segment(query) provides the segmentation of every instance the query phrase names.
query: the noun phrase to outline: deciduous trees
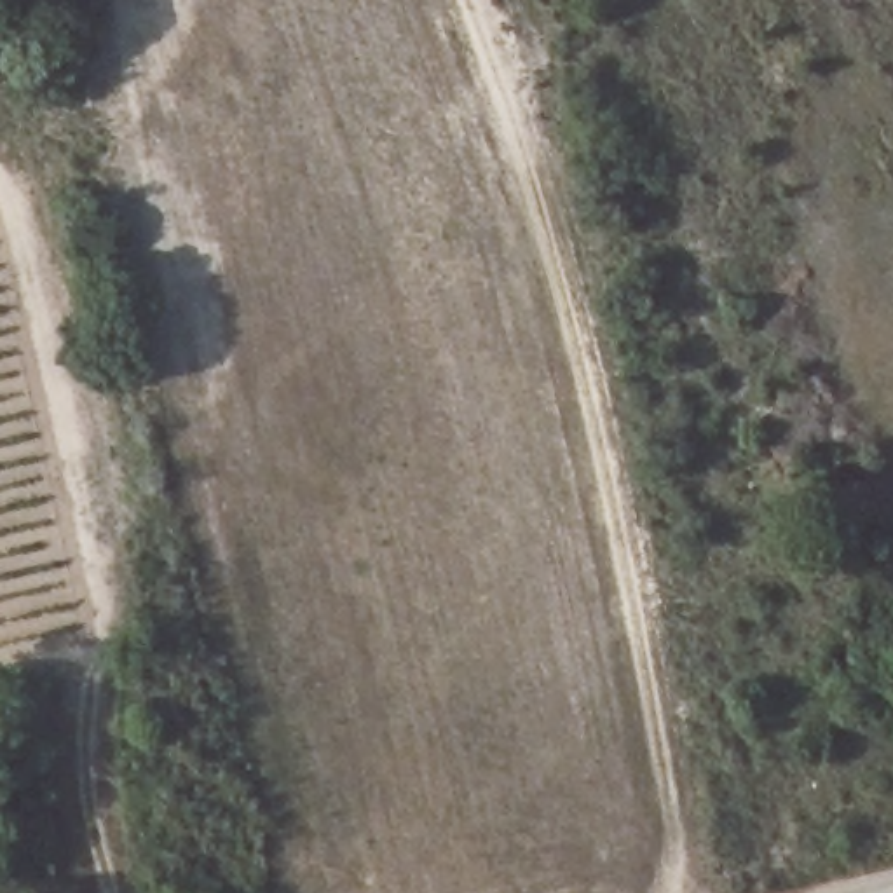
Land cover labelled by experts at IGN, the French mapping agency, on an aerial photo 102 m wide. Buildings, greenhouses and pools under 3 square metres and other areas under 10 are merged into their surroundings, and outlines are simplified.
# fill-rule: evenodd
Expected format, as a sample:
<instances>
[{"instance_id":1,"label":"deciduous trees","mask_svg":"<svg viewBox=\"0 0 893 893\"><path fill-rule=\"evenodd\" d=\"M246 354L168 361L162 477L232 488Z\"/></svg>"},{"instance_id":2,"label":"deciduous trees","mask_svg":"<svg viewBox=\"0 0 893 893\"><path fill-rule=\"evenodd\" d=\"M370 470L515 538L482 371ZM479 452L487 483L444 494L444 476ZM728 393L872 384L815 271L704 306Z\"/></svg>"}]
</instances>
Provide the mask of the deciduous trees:
<instances>
[{"instance_id":1,"label":"deciduous trees","mask_svg":"<svg viewBox=\"0 0 893 893\"><path fill-rule=\"evenodd\" d=\"M778 576L785 569L806 572L806 579L830 579L841 572L841 541L834 534L837 516L823 474L813 478L809 488L781 492L778 506L767 516L764 548L778 565Z\"/></svg>"},{"instance_id":2,"label":"deciduous trees","mask_svg":"<svg viewBox=\"0 0 893 893\"><path fill-rule=\"evenodd\" d=\"M7 872L7 851L17 830L0 813L0 893L28 893Z\"/></svg>"},{"instance_id":3,"label":"deciduous trees","mask_svg":"<svg viewBox=\"0 0 893 893\"><path fill-rule=\"evenodd\" d=\"M115 293L129 276L112 265L115 220L98 213L87 192L70 199L63 213L70 234L63 255L73 262L73 279L66 283L70 314L59 324L59 366L77 384L112 398L129 394L143 384L153 384L150 363L140 352L140 331L129 321L129 310L119 307Z\"/></svg>"},{"instance_id":4,"label":"deciduous trees","mask_svg":"<svg viewBox=\"0 0 893 893\"><path fill-rule=\"evenodd\" d=\"M115 872L129 879L133 893L209 893L202 872L206 855L220 862L220 869L241 893L258 893L265 872L286 876L286 841L307 841L310 827L293 813L286 795L272 792L269 778L262 778L258 740L251 729L258 715L265 715L265 687L244 673L244 656L237 652L230 635L230 614L181 617L181 590L171 583L174 565L164 565L157 551L140 551L140 558L133 562L140 607L133 614L115 610L108 638L94 642L94 666L94 677L112 680L112 802L94 816L108 820Z\"/></svg>"},{"instance_id":5,"label":"deciduous trees","mask_svg":"<svg viewBox=\"0 0 893 893\"><path fill-rule=\"evenodd\" d=\"M834 614L827 617L827 638L813 635L809 642L795 642L795 649L781 652L778 673L795 677L802 687L813 687L809 698L834 726L893 750L893 586L872 576L858 579L858 600L834 607Z\"/></svg>"},{"instance_id":6,"label":"deciduous trees","mask_svg":"<svg viewBox=\"0 0 893 893\"><path fill-rule=\"evenodd\" d=\"M0 101L24 119L38 119L45 108L70 105L66 91L80 73L80 56L70 49L66 38L73 14L59 0L0 0Z\"/></svg>"},{"instance_id":7,"label":"deciduous trees","mask_svg":"<svg viewBox=\"0 0 893 893\"><path fill-rule=\"evenodd\" d=\"M21 673L10 663L0 663L0 722L21 708Z\"/></svg>"},{"instance_id":8,"label":"deciduous trees","mask_svg":"<svg viewBox=\"0 0 893 893\"><path fill-rule=\"evenodd\" d=\"M719 701L736 733L753 715L733 687L722 684Z\"/></svg>"}]
</instances>

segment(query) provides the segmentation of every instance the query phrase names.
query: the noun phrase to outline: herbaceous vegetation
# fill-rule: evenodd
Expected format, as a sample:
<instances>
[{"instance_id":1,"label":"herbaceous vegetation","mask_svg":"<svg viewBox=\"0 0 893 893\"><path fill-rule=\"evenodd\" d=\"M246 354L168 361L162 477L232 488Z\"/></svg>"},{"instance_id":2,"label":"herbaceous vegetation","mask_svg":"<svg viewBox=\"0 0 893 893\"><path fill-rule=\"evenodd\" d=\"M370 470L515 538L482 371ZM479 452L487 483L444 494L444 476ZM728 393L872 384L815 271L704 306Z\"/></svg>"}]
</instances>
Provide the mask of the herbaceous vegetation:
<instances>
[{"instance_id":1,"label":"herbaceous vegetation","mask_svg":"<svg viewBox=\"0 0 893 893\"><path fill-rule=\"evenodd\" d=\"M841 572L858 579L872 576L893 586L893 0L586 0L607 21L607 28L600 42L579 49L576 63L590 70L596 105L610 108L621 119L621 140L614 150L624 157L624 164L642 164L649 174L663 178L659 195L649 195L642 185L624 185L607 206L617 206L628 227L638 234L642 265L670 248L687 248L698 258L698 286L712 300L712 310L698 317L701 328L719 342L719 356L726 359L726 366L740 373L736 394L740 405L760 419L760 450L771 453L774 447L785 447L795 460L809 460L823 474L837 516L834 534L841 541Z\"/></svg>"},{"instance_id":2,"label":"herbaceous vegetation","mask_svg":"<svg viewBox=\"0 0 893 893\"><path fill-rule=\"evenodd\" d=\"M638 457L645 457L645 394L631 391L621 380L624 366L617 345L603 335L596 338L610 384L610 415L621 426L617 460L624 471Z\"/></svg>"},{"instance_id":3,"label":"herbaceous vegetation","mask_svg":"<svg viewBox=\"0 0 893 893\"><path fill-rule=\"evenodd\" d=\"M98 213L115 220L112 265L129 276L115 293L119 307L129 310L129 321L140 331L140 352L150 363L160 356L157 335L164 297L147 276L147 269L164 255L157 248L157 237L164 230L164 220L157 206L147 202L143 188L122 185L122 171L101 164L101 157L112 147L105 98L70 105L45 108L38 119L24 119L0 101L0 164L24 178L28 202L42 195L49 199L52 213L63 213L70 199L87 192Z\"/></svg>"},{"instance_id":4,"label":"herbaceous vegetation","mask_svg":"<svg viewBox=\"0 0 893 893\"><path fill-rule=\"evenodd\" d=\"M579 223L572 195L579 188L579 178L565 167L565 157L558 153L572 136L576 115L565 101L565 66L558 56L562 21L555 21L555 7L548 0L495 0L506 14L506 31L513 31L523 45L548 49L548 66L534 77L537 122L548 136L548 143L537 153L537 174L551 209L551 227L562 244L562 258L569 262L576 303L579 310L593 310L610 286L603 276L607 237L603 230L586 230Z\"/></svg>"},{"instance_id":5,"label":"herbaceous vegetation","mask_svg":"<svg viewBox=\"0 0 893 893\"><path fill-rule=\"evenodd\" d=\"M133 893L129 879L115 872L108 820L94 816L112 802L112 680L94 677L94 666L84 670L70 659L31 656L10 663L21 673L21 708L0 722L0 813L17 830L7 851L7 872L28 893Z\"/></svg>"}]
</instances>

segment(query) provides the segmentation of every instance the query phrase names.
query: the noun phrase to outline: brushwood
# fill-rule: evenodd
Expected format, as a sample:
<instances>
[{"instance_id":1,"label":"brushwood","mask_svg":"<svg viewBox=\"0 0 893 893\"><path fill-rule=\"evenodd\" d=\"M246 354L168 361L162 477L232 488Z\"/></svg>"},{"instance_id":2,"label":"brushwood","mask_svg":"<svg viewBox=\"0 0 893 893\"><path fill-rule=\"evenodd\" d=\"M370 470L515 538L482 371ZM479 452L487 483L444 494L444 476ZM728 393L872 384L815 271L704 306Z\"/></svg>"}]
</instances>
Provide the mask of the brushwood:
<instances>
[{"instance_id":1,"label":"brushwood","mask_svg":"<svg viewBox=\"0 0 893 893\"><path fill-rule=\"evenodd\" d=\"M129 530L140 537L140 551L157 551L164 565L174 565L178 520L171 516L164 474L153 464L147 419L136 412L129 394L112 398L108 419L115 440L108 450L112 460L119 460L122 467L122 499L136 509L136 523Z\"/></svg>"},{"instance_id":2,"label":"brushwood","mask_svg":"<svg viewBox=\"0 0 893 893\"><path fill-rule=\"evenodd\" d=\"M712 310L712 300L698 286L698 258L687 248L670 248L642 265L638 234L628 227L617 206L607 206L624 185L642 185L649 195L659 195L663 178L649 174L642 164L624 164L624 157L614 150L621 140L621 119L610 108L596 105L590 70L576 63L579 49L600 42L607 28L607 21L586 0L548 0L555 7L555 21L562 21L558 56L565 66L565 101L576 115L572 136L558 153L565 157L565 167L579 178L579 188L572 195L579 223L586 230L603 230L607 237L603 276L610 286L593 310L596 338L603 335L617 345L624 366L621 380L631 391L645 394L645 457L638 457L624 471L635 520L649 530L652 541L652 579L659 590L663 624L663 635L652 638L652 656L663 691L666 733L673 746L680 816L687 830L687 876L708 893L795 893L848 876L893 869L893 750L834 726L809 698L813 687L802 687L795 677L778 673L781 652L795 649L795 642L809 642L813 635L827 638L827 617L834 614L834 607L858 600L858 579L841 572L830 579L806 579L806 572L785 569L778 576L778 565L764 548L767 516L778 506L781 492L809 488L813 478L823 474L809 460L795 460L785 447L774 447L771 453L760 450L760 419L740 405L736 394L740 373L726 366L726 359L719 356L719 342L701 328L698 317ZM736 733L719 701L722 684L733 687L753 715Z\"/></svg>"}]
</instances>

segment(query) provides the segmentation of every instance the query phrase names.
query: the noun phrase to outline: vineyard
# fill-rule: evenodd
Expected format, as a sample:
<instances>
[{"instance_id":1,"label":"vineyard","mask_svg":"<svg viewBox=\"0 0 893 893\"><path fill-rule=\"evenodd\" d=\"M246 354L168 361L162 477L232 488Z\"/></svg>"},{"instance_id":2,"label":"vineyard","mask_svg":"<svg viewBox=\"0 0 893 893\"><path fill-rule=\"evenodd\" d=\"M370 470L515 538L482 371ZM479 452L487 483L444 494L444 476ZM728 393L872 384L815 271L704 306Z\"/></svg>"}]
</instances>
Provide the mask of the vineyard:
<instances>
[{"instance_id":1,"label":"vineyard","mask_svg":"<svg viewBox=\"0 0 893 893\"><path fill-rule=\"evenodd\" d=\"M70 314L66 283L73 279L73 262L63 255L70 234L63 213L52 213L49 199L42 195L28 202L24 178L0 164L0 663L10 663L31 656L70 659L84 670L94 666L94 642L108 638L115 610L133 614L140 607L133 562L140 558L140 551L140 537L129 530L136 523L136 509L122 499L122 467L119 460L112 460L108 450L115 440L108 419L112 398L77 384L59 366L59 324Z\"/></svg>"}]
</instances>

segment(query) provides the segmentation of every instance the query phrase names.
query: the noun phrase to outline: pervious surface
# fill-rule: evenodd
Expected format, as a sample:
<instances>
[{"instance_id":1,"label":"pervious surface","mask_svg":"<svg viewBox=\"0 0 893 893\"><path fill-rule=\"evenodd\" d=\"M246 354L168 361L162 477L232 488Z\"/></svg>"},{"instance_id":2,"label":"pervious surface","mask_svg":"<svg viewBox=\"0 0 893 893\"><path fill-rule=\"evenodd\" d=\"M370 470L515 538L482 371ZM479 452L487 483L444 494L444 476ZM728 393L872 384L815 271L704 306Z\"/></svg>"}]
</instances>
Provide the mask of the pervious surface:
<instances>
[{"instance_id":1,"label":"pervious surface","mask_svg":"<svg viewBox=\"0 0 893 893\"><path fill-rule=\"evenodd\" d=\"M635 520L624 471L617 460L621 426L610 415L610 384L596 338L593 310L579 310L576 303L569 262L562 258L562 244L551 227L551 209L537 174L537 153L548 143L548 136L537 122L534 77L548 66L548 49L523 45L513 31L506 31L506 14L495 0L467 0L460 7L460 24L474 52L474 77L485 84L492 101L492 126L502 143L502 157L513 167L509 192L523 202L527 227L544 265L565 359L576 380L576 401L596 481L596 513L607 530L624 635L631 649L645 746L666 837L663 865L649 893L708 893L687 876L687 830L680 816L673 746L666 733L663 691L652 656L652 638L663 635L663 624L659 590L652 579L652 541L649 530Z\"/></svg>"},{"instance_id":2,"label":"pervious surface","mask_svg":"<svg viewBox=\"0 0 893 893\"><path fill-rule=\"evenodd\" d=\"M893 869L848 876L795 893L893 893Z\"/></svg>"}]
</instances>

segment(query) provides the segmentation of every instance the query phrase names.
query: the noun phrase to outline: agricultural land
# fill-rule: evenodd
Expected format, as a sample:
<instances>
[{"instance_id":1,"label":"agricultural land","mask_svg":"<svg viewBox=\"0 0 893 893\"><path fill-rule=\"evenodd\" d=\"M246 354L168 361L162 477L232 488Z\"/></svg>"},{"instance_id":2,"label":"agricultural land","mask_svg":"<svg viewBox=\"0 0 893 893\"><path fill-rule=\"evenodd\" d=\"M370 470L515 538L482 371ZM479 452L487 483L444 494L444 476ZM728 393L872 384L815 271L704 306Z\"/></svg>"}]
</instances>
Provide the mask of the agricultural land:
<instances>
[{"instance_id":1,"label":"agricultural land","mask_svg":"<svg viewBox=\"0 0 893 893\"><path fill-rule=\"evenodd\" d=\"M206 855L202 872L209 893L241 893L220 869L220 862Z\"/></svg>"},{"instance_id":2,"label":"agricultural land","mask_svg":"<svg viewBox=\"0 0 893 893\"><path fill-rule=\"evenodd\" d=\"M663 865L666 837L645 746L631 649L624 635L607 530L596 513L596 481L576 401L576 380L565 359L544 265L527 227L523 202L509 192L513 167L502 157L502 143L492 126L492 101L485 84L474 77L474 52L460 24L460 7L467 0L59 0L73 14L66 38L70 49L80 56L80 73L66 91L70 105L105 98L112 147L101 157L101 164L122 171L122 185L143 188L147 202L157 206L164 220L164 230L157 237L157 248L164 255L147 269L147 276L164 297L157 335L160 356L150 363L153 384L143 384L129 394L136 412L147 419L153 464L164 474L171 516L178 520L174 565L171 583L181 590L181 617L230 614L230 635L237 652L244 656L244 673L265 687L265 715L258 715L251 729L258 740L262 778L269 778L272 792L286 795L293 813L310 827L307 841L286 841L286 876L265 872L258 893L649 893Z\"/></svg>"}]
</instances>

